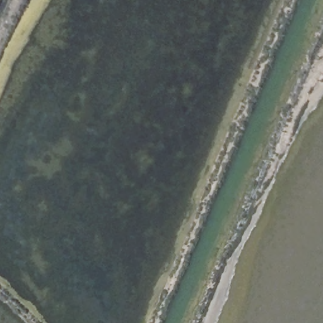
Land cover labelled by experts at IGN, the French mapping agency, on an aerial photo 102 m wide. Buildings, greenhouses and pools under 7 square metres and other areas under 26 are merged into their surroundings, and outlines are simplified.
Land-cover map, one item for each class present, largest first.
<instances>
[{"label":"water","instance_id":"1","mask_svg":"<svg viewBox=\"0 0 323 323\"><path fill-rule=\"evenodd\" d=\"M273 0H49L35 21L28 42L11 64L8 79L0 95V276L9 281L11 288L21 298L33 303L47 323H145L149 305L156 281L172 264L179 227L185 214L192 212L193 209L191 198L197 187L199 174L216 139L218 126L233 95V87L242 76L246 58ZM323 6V0H295L294 9L290 11L289 23L285 26L283 37L279 38L274 47L271 61L262 72L259 95L256 101L251 100L249 103L247 117L242 120L244 130L238 135L230 159L223 169L220 183L209 199L207 212L201 221L192 249L185 256L182 273L177 280L172 293L165 305L167 313L161 314L160 323H182L189 302L198 298L199 291L204 286L237 203L244 197L250 170L254 167L261 146L269 134L274 116L279 114V106L284 100L286 88L290 86L291 77L297 71L305 43L313 33V26L318 21L319 10ZM217 323H323V96L318 101L317 109L310 112L308 119L304 121L302 130L299 131L294 143L290 144L288 151V156L276 173L275 182L266 198L259 221L238 257L230 294ZM0 323H24L11 312L8 305L0 302Z\"/></svg>","mask_w":323,"mask_h":323},{"label":"pervious surface","instance_id":"2","mask_svg":"<svg viewBox=\"0 0 323 323\"><path fill-rule=\"evenodd\" d=\"M49 0H32L0 62V95L8 79L11 64L28 42L35 21ZM281 0H273L246 58L242 76L233 87V95L218 126L216 139L199 174L197 187L191 198L193 209L192 212L185 214L179 227L172 264L156 281L149 305L156 308L161 290L167 289L172 293L177 280L172 276L178 270L180 252L184 250L185 241L191 238V232L196 226L193 218H199L201 221L207 212L209 199L220 183L223 169L230 159L238 135L244 130L242 120L247 117L249 103L251 100L256 101L259 95L262 72L271 61L266 59L260 64L259 74H255L252 64L265 42ZM323 96V61L315 59L313 69L300 93L298 105L293 109L291 121L281 129L276 151H288L290 144L294 143L299 131L302 130L304 121L308 119L310 112L317 109L318 101ZM275 182L271 180L260 201L255 202L257 209L251 218L250 226L246 228L240 244L227 260L225 271L203 323H217L230 294L238 257L259 221L266 198Z\"/></svg>","mask_w":323,"mask_h":323},{"label":"brushwood","instance_id":"3","mask_svg":"<svg viewBox=\"0 0 323 323\"><path fill-rule=\"evenodd\" d=\"M32 0H23L18 13L13 16L8 37L0 49V62ZM295 0H281L265 42L252 64L255 74H259L260 64L266 59L271 61L274 47L279 38L283 37L285 26L289 23L290 11L294 9ZM315 59L323 61V6L319 10L318 21L313 26V33L305 43L297 71L291 77L290 86L286 88L284 100L279 106V114L274 116L269 134L261 146L254 167L250 170L244 197L237 203L204 286L199 291L198 298L189 302L182 323H203L225 271L227 260L240 244L246 228L250 226L251 218L257 209L255 202L260 201L271 180L275 182L276 173L288 156V151H276L281 129L291 121L293 109L298 105L300 93L313 69ZM196 226L191 232V238L185 241L184 250L180 252L178 270L172 276L177 280L182 273L185 256L192 249L201 221L199 218H193ZM0 302L8 305L11 312L24 323H47L33 303L21 298L11 288L9 281L0 276ZM172 293L167 289L161 290L156 308L149 305L145 323H160L161 314L167 313L165 305Z\"/></svg>","mask_w":323,"mask_h":323},{"label":"herbaceous vegetation","instance_id":"4","mask_svg":"<svg viewBox=\"0 0 323 323\"><path fill-rule=\"evenodd\" d=\"M23 0H0V49L8 37L13 16L18 13Z\"/></svg>","mask_w":323,"mask_h":323}]
</instances>
